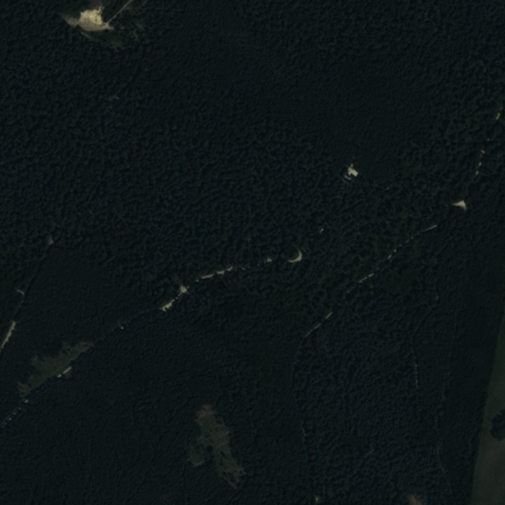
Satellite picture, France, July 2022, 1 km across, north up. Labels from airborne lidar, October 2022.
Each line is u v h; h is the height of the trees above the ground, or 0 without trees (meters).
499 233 17
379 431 23
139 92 25
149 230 18
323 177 8
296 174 31
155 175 34
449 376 6
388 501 19
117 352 23
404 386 27
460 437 8
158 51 29
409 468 0
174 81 24
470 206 18
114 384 22
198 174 32
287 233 37
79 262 15
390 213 27
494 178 7
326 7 18
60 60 27
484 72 19
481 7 35
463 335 11
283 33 20
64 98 28
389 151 14
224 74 19
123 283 16
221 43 22
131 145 35
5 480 19
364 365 28
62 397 22
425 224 15
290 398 17
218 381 12
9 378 17
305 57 16
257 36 17
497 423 21
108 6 14
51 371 0
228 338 17
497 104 30
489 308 12
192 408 12
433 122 13
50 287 15
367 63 20
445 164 19
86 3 20
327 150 18
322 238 33
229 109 30
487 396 12
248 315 10
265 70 16
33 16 29
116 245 15
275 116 19
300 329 16
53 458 17
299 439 19
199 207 30
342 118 19
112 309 23
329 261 25
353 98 17
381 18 28
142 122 32
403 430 33
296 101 21
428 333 15
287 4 16
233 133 33
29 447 17
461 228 15
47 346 17
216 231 17
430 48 19
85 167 34
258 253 23
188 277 12
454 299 13
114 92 29
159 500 16
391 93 13
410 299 19
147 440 16
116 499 16
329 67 17
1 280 9
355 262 12
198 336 26
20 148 31
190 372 23
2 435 23
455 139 26
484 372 13
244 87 27
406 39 25
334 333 15
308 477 14
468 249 14
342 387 23
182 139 33
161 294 29
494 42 29
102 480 18
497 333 13
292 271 32
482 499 0
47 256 14
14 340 15
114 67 30
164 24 12
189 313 15
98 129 25
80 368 22
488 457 0
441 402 10
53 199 36
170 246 35
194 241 11
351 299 30
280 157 34
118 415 12
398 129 11
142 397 13
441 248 15
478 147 19
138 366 23
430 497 0
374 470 32
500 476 0
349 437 8
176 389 15
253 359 15
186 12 24
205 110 27
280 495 26
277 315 8
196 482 19
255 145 33
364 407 24
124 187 34
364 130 14
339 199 23
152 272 29
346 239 25
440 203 20
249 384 13
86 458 20
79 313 19
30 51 31
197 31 21
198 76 26
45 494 16
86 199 30
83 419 16
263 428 12
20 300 10
